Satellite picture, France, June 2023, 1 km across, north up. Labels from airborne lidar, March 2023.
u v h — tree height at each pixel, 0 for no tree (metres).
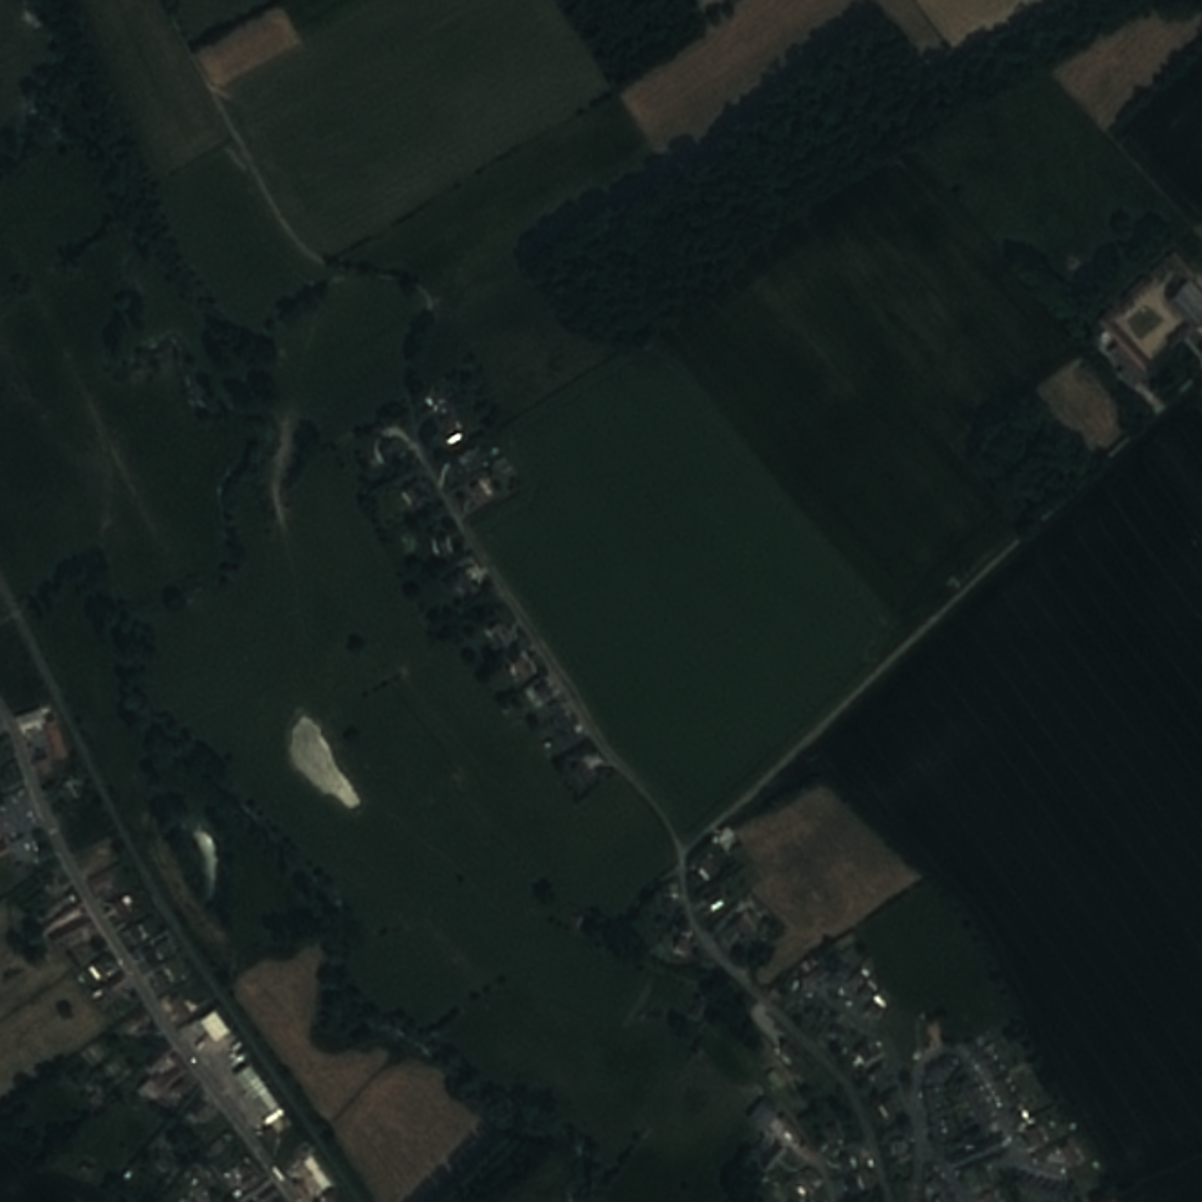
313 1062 0
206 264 0
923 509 0
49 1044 0
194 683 0
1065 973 0
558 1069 0
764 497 0
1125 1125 0
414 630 0
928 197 0
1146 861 0
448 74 0
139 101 0
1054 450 28
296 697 0
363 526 0
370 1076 0
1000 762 0
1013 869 0
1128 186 0
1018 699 0
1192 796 0
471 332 0
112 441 0
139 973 0
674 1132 0
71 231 0
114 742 0
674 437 0
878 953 0
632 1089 0
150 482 0
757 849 0
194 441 0
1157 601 0
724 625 0
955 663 0
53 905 0
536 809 0
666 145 0
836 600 0
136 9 0
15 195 0
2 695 0
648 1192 0
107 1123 0
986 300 0
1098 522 0
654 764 0
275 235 0
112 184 13
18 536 0
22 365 0
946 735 0
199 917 0
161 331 0
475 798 0
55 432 0
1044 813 0
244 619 0
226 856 29
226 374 0
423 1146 0
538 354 0
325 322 0
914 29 0
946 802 0
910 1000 0
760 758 0
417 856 0
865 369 0
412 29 0
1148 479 0
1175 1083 0
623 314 21
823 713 0
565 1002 0
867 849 0
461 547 12
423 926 0
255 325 0
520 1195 0
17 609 0
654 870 0
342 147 0
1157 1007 0
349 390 0
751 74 0
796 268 0
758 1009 0
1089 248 0
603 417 0
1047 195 0
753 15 0
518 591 0
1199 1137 0
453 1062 17
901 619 0
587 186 0
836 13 0
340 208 0
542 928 0
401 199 0
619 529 0
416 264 0
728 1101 0
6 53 0
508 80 0
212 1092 0
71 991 0
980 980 0
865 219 0
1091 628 0
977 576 0
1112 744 0
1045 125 0
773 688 0
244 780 0
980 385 0
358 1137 0
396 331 0
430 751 0
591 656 0
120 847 15
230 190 0
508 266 0
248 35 0
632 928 18
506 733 0
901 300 0
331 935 18
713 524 0
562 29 0
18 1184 0
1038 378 0
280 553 0
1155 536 0
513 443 0
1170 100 0
